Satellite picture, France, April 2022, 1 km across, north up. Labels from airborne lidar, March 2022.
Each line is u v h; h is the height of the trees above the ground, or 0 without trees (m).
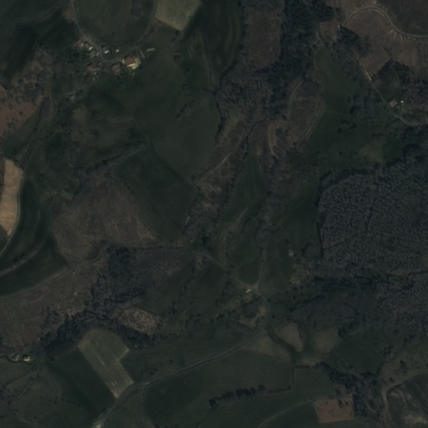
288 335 0
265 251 23
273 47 0
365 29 0
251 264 0
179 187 0
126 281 10
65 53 0
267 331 0
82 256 0
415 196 30
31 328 0
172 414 0
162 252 17
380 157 0
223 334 0
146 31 0
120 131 0
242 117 0
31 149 0
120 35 0
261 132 0
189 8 0
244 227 6
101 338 0
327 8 9
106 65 9
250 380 0
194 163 0
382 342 0
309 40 19
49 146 0
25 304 0
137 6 20
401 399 0
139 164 0
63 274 0
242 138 0
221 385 0
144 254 18
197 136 0
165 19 0
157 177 0
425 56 0
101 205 0
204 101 0
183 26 0
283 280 0
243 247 0
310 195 0
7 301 0
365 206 27
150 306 0
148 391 0
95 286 0
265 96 29
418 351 0
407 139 25
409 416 0
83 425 0
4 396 16
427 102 24
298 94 0
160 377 0
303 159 0
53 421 0
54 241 0
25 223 0
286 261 0
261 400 0
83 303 0
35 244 0
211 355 0
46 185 0
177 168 0
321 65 0
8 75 0
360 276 29
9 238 0
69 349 22
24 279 0
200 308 0
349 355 0
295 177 0
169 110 0
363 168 0
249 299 0
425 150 32
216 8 0
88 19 0
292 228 0
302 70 21
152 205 0
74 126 0
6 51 0
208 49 0
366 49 11
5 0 0
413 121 25
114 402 0
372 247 28
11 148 0
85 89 0
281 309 0
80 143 0
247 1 24
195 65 0
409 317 24
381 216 29
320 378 0
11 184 0
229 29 0
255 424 0
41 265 0
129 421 0
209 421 0
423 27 0
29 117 0
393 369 0
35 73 10
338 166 0
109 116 0
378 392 26
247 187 0
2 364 0
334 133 0
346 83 0
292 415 0
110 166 22
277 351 0
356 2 0
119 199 0
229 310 0
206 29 0
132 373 0
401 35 0
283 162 22
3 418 9
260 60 0
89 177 24
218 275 0
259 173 0
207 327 0
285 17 20
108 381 0
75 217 0
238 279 0
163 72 0
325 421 0
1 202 0
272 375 0
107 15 0
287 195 0
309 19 30
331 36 0
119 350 0
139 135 0
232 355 0
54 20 0
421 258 23
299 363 0
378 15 0
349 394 7
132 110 0
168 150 0
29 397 0
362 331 20
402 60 0
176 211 0
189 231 24
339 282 21
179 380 0
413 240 27
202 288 0
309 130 0
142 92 0
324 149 0
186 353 0
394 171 25
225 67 0
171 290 0
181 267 16
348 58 22
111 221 0
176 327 0
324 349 0
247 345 0
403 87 15
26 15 0
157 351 0
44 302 0
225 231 0
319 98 24
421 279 26
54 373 0
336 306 22
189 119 0
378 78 21
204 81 0
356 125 0
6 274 0
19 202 0
